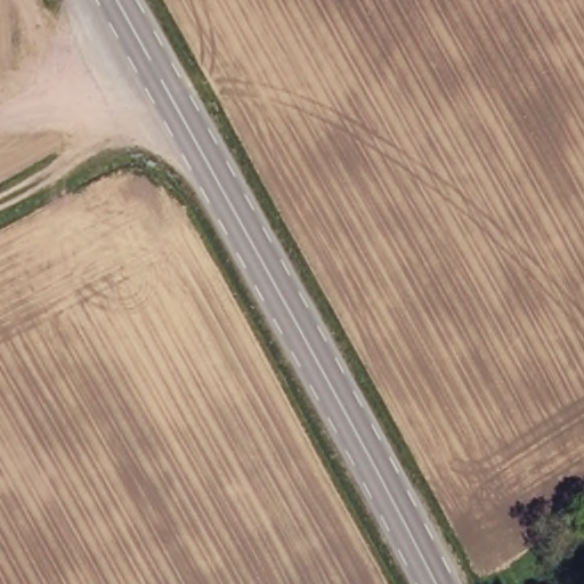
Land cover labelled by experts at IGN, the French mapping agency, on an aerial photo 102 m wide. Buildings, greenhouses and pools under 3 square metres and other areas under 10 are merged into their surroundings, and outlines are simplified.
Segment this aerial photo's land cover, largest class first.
<instances>
[{"label":"agricultural land","instance_id":"1","mask_svg":"<svg viewBox=\"0 0 584 584\"><path fill-rule=\"evenodd\" d=\"M37 57L34 43L21 34V14L14 0H0V80H7L11 71H18L23 59ZM187 46L192 48L196 64L201 66L210 89L219 98L235 135L240 137L260 180L265 183L276 210L287 224L294 242L299 244L306 262L310 265V271L315 274L319 287L324 290L329 303L342 322L356 354L367 367L381 399L386 402L395 424L399 427L406 445L411 447L424 479L438 497L445 518L461 538L475 573L479 577H493L513 566L518 559H522L527 550L532 552L541 548L545 538V534L536 532V520L541 513L566 516L573 511V500L584 493V0H164ZM68 148L62 130L0 135V180L30 167L48 153H55L57 157Z\"/></svg>","mask_w":584,"mask_h":584},{"label":"plowed land","instance_id":"2","mask_svg":"<svg viewBox=\"0 0 584 584\"><path fill-rule=\"evenodd\" d=\"M0 584H388L376 557L372 554L344 500L340 497L317 449L313 447L310 436L306 433L297 411L292 408L267 354L262 351L221 269L205 249L198 230L192 226L187 210L167 194L164 187L151 185L141 176L114 173L89 185L80 194H66L62 198L50 201L46 208L0 230Z\"/></svg>","mask_w":584,"mask_h":584},{"label":"impervious surface","instance_id":"3","mask_svg":"<svg viewBox=\"0 0 584 584\"><path fill-rule=\"evenodd\" d=\"M62 9L68 14V21L75 18L80 25H87L89 21L94 23L121 78L135 91L137 100H141L146 107L155 105L160 119L171 128L173 141L178 151L187 157L192 169L185 178L189 187L196 192L205 214L210 217L226 251L240 269L244 285L258 301L265 322L269 324L283 356L292 365L299 383L313 402L335 452L342 459V465L347 468V475L360 490L367 511L379 525L383 543L390 548L408 584H468L456 557L445 543L440 529L436 527L420 493L413 488L372 406L360 392L338 342L324 324L315 301L306 292L281 240L271 230L244 173L240 171L224 137L219 135L214 119L208 114L201 96L196 94L189 75L185 73L176 50L164 37L146 0H62Z\"/></svg>","mask_w":584,"mask_h":584},{"label":"herbaceous vegetation","instance_id":"4","mask_svg":"<svg viewBox=\"0 0 584 584\"><path fill-rule=\"evenodd\" d=\"M164 37L176 50L185 73L189 75L196 94L201 96L208 114L214 119L219 135L224 137L240 171L244 173L271 230L281 240L306 292L315 301L324 324L338 342L360 392L372 406L413 488L420 493L436 527L440 529L445 543L456 557L468 584H584V543L575 550L573 557L563 559L557 566V575L548 582H538L545 573L536 563L532 552L527 550L522 559H518L513 566L493 577H479L475 573L461 538L445 518L438 497L424 479L411 447L406 445L399 427L395 424L386 402L381 399L367 367L356 354L342 322L329 303L324 290L319 287L315 274L310 271V265L306 262L299 244L294 242L287 224L276 210L265 183L260 180L240 137L235 135L219 98L210 89L201 66L196 64L192 48L187 46L164 0H146ZM114 173L141 176L151 185L164 187L167 194L187 210L192 226L198 230L205 249L221 269L262 351L267 354L292 408L297 411L306 433L310 436L313 447L317 449L340 497L344 500L372 554L376 557L388 584H408L390 548L383 543L379 525L367 511L360 490L347 475V468L342 465V459L335 452L313 402L299 383L292 365L283 356L269 324L265 322L258 301L244 285L240 269L226 251L210 217L205 214L196 192L189 187L185 178L169 162H164L160 155L146 148H112L89 157L66 178L0 212V230L46 208L50 201L62 198L66 194H80L89 185ZM57 157L55 153H48L30 167L0 180V192L50 167Z\"/></svg>","mask_w":584,"mask_h":584},{"label":"pervious surface","instance_id":"5","mask_svg":"<svg viewBox=\"0 0 584 584\"><path fill-rule=\"evenodd\" d=\"M21 14V34L34 43L37 57L23 59L18 71H11L7 80H0V135L62 130L68 148L57 157L50 167L0 192V212L66 178L89 157L112 148H146L160 155L164 162H169L185 178L192 169L187 157L178 151L173 141L171 128L160 119L155 105L146 107L141 100H137L135 91L121 78L94 23L89 21L87 25H80L75 18L68 21V14L62 9V0H14Z\"/></svg>","mask_w":584,"mask_h":584},{"label":"coniferous trees","instance_id":"6","mask_svg":"<svg viewBox=\"0 0 584 584\"><path fill-rule=\"evenodd\" d=\"M573 522H577V511H573L566 516L541 513L536 520V532L545 534V538L541 548L532 552L536 563L545 573L538 582H548L557 575V566L563 559L573 557L575 550L584 543V538L577 529H573Z\"/></svg>","mask_w":584,"mask_h":584},{"label":"deciduous trees","instance_id":"7","mask_svg":"<svg viewBox=\"0 0 584 584\"><path fill-rule=\"evenodd\" d=\"M573 511H577V522H573V529H577L584 538V493L573 500Z\"/></svg>","mask_w":584,"mask_h":584}]
</instances>
